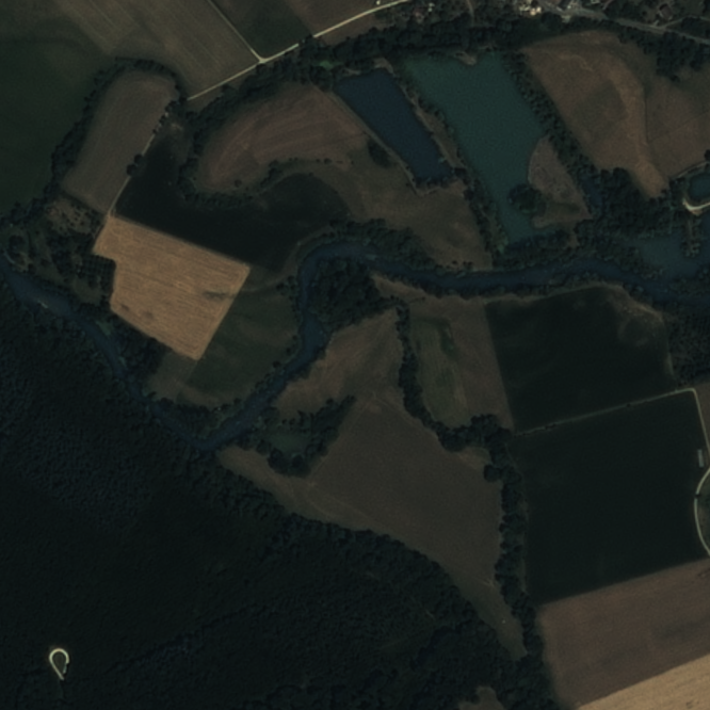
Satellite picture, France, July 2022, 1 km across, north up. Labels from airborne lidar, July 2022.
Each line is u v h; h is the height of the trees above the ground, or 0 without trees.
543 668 18
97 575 13
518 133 0
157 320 0
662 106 0
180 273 0
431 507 0
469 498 0
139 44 0
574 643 0
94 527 19
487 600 0
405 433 0
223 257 0
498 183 0
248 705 26
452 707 28
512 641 0
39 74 0
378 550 26
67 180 0
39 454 25
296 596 11
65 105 0
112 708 18
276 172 12
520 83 8
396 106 0
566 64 0
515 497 21
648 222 18
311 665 9
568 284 17
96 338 0
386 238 13
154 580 6
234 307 0
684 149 0
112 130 0
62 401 20
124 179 0
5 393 29
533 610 16
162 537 7
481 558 0
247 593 13
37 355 20
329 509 0
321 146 0
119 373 0
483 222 17
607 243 18
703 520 0
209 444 0
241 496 21
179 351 0
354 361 0
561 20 13
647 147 0
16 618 15
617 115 0
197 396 0
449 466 0
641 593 0
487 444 21
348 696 29
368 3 0
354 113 0
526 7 0
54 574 17
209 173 0
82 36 0
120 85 0
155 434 22
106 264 8
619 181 19
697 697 0
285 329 0
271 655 15
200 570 8
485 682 24
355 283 18
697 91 0
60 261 23
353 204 0
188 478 18
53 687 28
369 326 0
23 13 0
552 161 0
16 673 16
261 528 14
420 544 0
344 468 0
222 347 0
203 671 21
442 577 27
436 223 0
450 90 0
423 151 0
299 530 32
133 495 19
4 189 0
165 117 12
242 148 0
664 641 0
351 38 8
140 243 0
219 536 7
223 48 0
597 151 0
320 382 0
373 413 0
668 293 0
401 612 8
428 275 0
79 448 23
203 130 15
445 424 9
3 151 0
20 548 15
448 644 29
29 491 17
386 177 0
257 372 0
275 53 0
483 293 11
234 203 6
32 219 13
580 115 0
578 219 0
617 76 0
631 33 14
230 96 18
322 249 0
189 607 9
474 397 0
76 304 13
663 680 0
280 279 0
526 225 0
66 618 11
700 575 0
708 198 0
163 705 18
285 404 0
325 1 0
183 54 0
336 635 12
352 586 11
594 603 0
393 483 0
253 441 25
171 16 0
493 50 17
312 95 0
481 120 0
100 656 7
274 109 0
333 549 11
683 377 9
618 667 0
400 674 23
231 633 19
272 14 0
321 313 14
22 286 0
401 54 17
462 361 0
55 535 16
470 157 0
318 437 9
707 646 0
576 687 0
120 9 0
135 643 7
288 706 30
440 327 0
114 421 23
